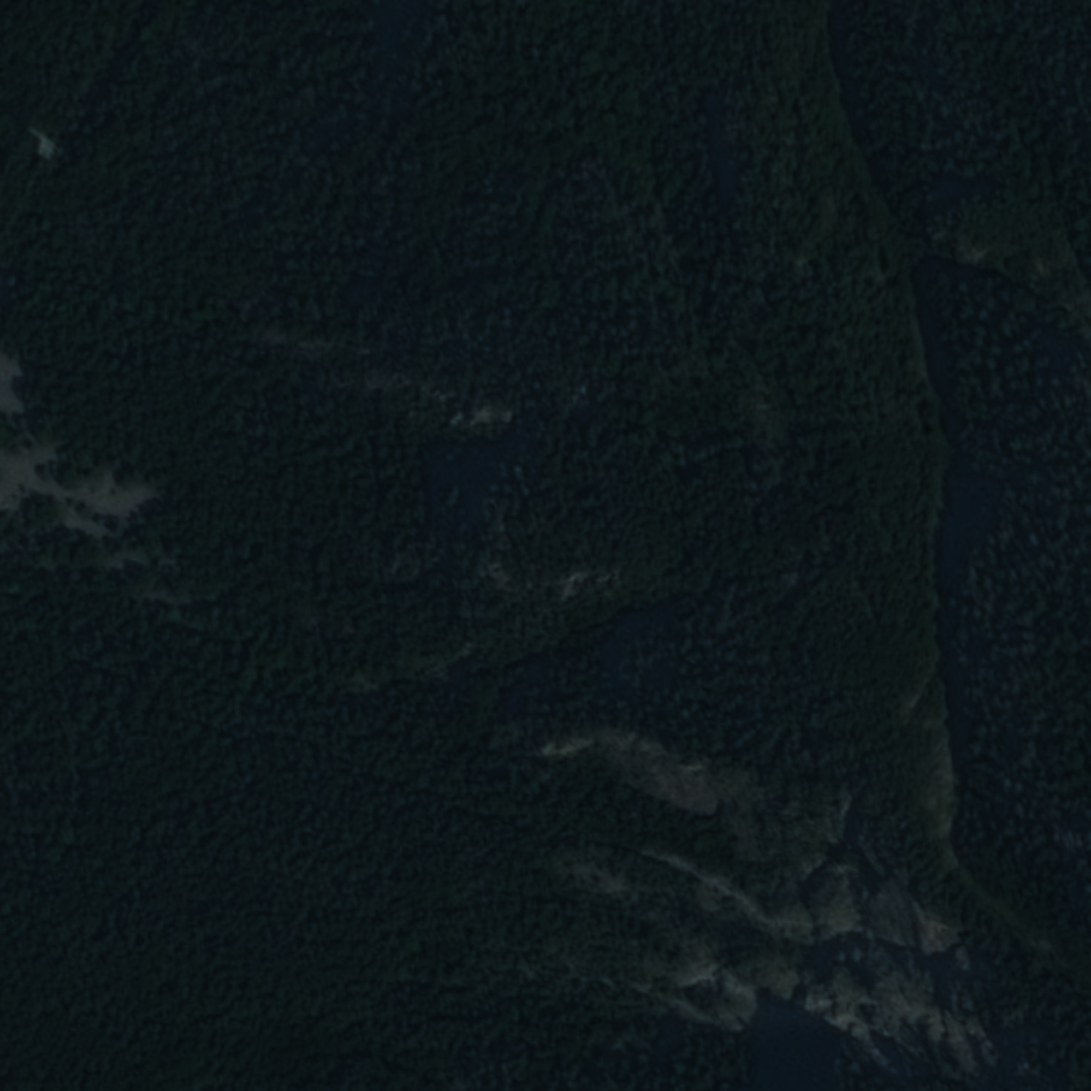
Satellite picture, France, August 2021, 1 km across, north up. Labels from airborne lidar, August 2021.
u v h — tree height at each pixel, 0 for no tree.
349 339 14
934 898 16
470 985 14
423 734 23
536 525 19
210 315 24
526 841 26
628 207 14
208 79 7
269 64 10
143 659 26
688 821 25
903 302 13
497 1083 23
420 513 17
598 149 21
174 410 27
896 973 0
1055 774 17
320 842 25
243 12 15
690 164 29
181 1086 23
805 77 12
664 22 12
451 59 23
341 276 26
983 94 19
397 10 11
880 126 32
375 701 14
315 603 14
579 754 7
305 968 23
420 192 22
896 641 18
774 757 19
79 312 25
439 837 19
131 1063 22
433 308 24
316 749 12
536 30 24
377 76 7
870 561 17
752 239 10
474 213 18
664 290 20
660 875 8
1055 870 9
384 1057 20
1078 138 14
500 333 15
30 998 27
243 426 19
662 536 23
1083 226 26
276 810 25
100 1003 28
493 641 19
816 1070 11
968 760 20
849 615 20
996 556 9
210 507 19
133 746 16
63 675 21
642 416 21
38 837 9
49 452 0
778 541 26
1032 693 12
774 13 12
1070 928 6
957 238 13
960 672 14
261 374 27
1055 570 10
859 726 15
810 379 18
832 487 29
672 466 6
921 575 15
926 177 30
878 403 17
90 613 15
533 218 21
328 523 26
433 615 14
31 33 17
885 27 14
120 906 28
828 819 7
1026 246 23
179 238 16
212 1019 16
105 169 18
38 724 21
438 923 22
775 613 22
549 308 24
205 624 16
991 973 15
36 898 21
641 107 22
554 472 26
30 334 20
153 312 22
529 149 22
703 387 23
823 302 24
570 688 15
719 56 23
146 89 19
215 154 9
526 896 15
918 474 18
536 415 10
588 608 28
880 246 10
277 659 28
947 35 21
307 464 29
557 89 20
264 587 20
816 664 19
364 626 23
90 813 27
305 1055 22
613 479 20
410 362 10
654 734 10
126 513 0
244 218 12
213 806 25
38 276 20
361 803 26
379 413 12
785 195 23
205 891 22
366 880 11
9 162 14
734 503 32
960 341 22
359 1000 18
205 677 16
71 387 22
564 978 8
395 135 10
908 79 21
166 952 19
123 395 19
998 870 14
